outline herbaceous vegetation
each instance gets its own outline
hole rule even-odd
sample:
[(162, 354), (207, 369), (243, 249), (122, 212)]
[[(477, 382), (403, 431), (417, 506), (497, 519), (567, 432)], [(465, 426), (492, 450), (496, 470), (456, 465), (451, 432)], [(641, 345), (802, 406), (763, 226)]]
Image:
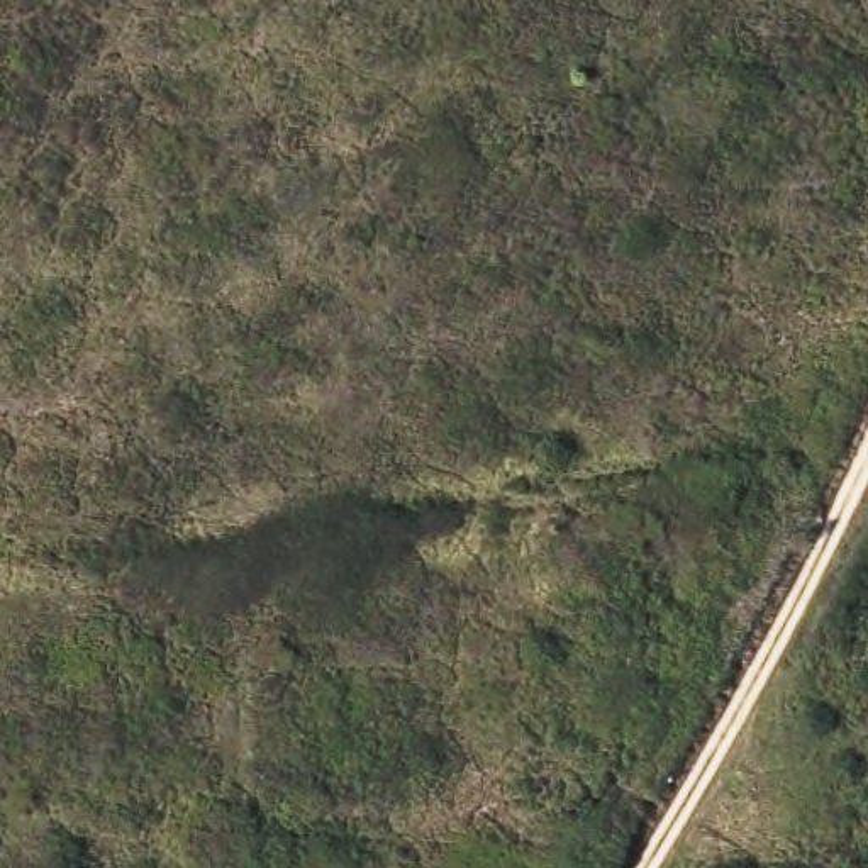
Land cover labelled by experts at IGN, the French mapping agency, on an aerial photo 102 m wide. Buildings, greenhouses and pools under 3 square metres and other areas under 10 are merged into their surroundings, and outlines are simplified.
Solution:
[(831, 532), (831, 502), (868, 427), (868, 0), (0, 0), (0, 868), (637, 868), (654, 824), (668, 810), (698, 749), (715, 729), (719, 715), (726, 712), (746, 665), (763, 644), (776, 610), (783, 607), (804, 559), (824, 532)]
[(783, 658), (776, 661), (746, 726), (729, 746), (719, 773), (705, 787), (695, 814), (682, 827), (661, 868), (868, 868), (868, 488)]

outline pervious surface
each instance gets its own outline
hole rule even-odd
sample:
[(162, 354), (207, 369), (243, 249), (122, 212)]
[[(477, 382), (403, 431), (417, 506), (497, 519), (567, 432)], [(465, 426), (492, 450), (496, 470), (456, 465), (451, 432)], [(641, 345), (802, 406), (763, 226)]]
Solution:
[(719, 773), (729, 746), (746, 726), (776, 661), (783, 658), (868, 488), (868, 427), (831, 502), (831, 532), (824, 532), (804, 559), (783, 607), (776, 610), (763, 644), (746, 665), (726, 712), (719, 715), (715, 729), (698, 749), (668, 810), (654, 824), (637, 868), (661, 868), (682, 827), (695, 814), (705, 787)]

